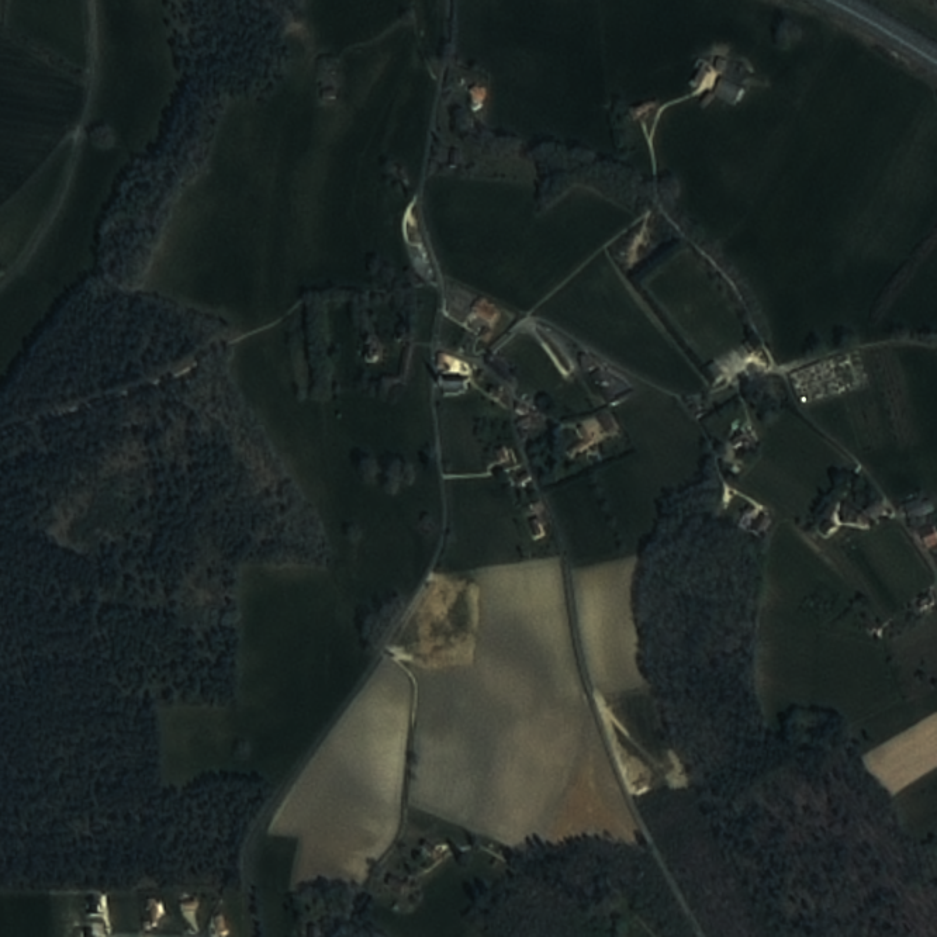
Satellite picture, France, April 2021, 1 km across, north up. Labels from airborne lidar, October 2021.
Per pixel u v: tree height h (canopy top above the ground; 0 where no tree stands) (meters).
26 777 15
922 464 0
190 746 0
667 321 13
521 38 0
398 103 0
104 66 0
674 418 0
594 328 0
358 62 0
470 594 0
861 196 0
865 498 16
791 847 8
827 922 13
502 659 0
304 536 16
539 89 0
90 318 14
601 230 0
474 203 0
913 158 0
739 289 15
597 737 0
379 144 0
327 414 0
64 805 12
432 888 0
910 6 0
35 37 0
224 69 19
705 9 0
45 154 0
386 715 0
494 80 0
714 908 11
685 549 23
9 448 18
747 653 18
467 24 0
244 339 0
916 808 0
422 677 0
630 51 0
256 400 0
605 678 0
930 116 0
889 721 0
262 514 7
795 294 0
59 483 7
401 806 0
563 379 0
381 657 0
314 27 0
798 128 0
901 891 14
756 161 0
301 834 0
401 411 0
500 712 0
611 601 0
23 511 17
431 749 0
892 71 0
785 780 17
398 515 0
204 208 0
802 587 0
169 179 8
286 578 0
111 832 10
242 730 0
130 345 10
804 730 10
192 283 0
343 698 0
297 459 0
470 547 0
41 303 0
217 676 16
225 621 17
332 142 0
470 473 0
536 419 10
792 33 23
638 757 0
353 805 0
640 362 0
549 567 0
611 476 0
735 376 0
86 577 19
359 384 12
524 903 10
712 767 15
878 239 0
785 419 0
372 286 13
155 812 18
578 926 13
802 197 0
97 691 12
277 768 0
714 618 22
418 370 0
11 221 0
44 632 15
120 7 0
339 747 0
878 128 0
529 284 0
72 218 0
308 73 0
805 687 0
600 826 0
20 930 0
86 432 13
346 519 0
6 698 19
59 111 0
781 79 0
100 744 8
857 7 0
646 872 12
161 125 0
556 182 22
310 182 0
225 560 7
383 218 0
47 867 13
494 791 0
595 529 0
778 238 0
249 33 18
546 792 0
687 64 0
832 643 0
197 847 15
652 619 23
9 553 17
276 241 0
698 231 20
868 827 15
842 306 0
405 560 0
